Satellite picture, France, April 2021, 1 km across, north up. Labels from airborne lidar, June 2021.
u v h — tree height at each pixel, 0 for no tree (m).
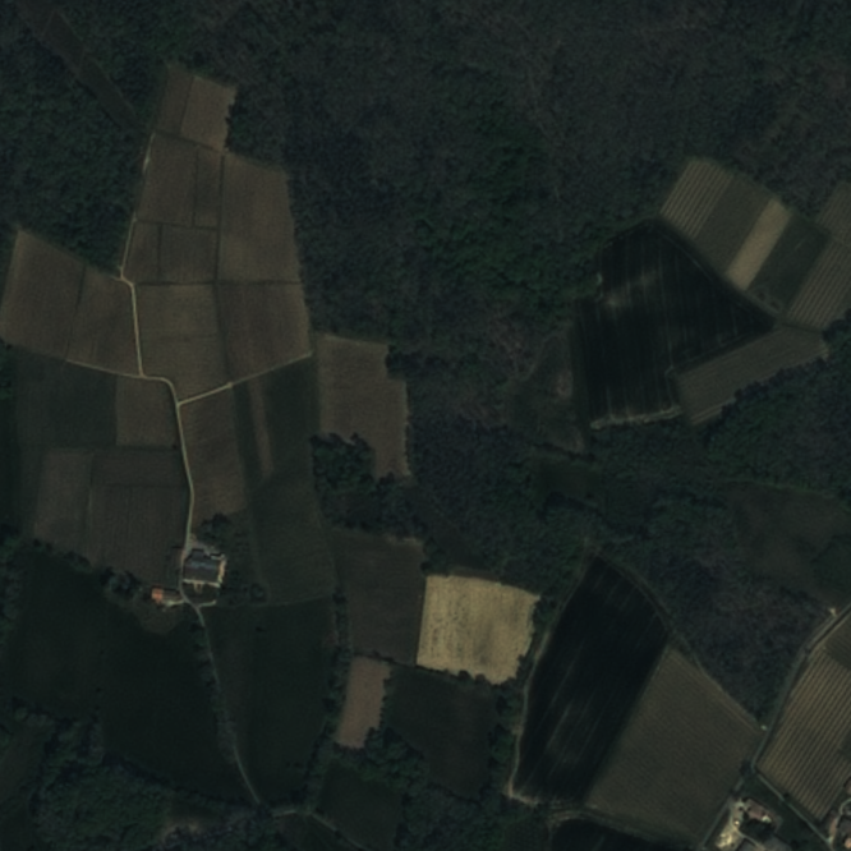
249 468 0
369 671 0
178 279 0
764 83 17
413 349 9
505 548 19
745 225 0
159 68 19
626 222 22
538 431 10
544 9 20
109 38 23
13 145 14
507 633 0
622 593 0
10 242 17
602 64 21
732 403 0
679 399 0
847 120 14
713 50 19
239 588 8
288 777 0
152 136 0
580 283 25
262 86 7
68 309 0
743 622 12
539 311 14
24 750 0
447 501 23
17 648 0
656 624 0
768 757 0
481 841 25
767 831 11
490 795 16
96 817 25
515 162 15
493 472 22
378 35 17
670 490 7
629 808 0
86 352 0
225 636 0
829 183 16
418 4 18
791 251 0
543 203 16
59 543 0
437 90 21
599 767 0
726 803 0
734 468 15
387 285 22
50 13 0
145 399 0
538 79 14
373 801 0
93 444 0
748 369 0
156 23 22
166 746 0
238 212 0
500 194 21
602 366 0
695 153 20
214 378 0
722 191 0
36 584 0
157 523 0
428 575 11
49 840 20
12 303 0
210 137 0
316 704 0
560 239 22
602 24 20
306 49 20
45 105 20
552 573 19
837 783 0
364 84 17
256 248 0
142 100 21
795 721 0
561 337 8
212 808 6
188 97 0
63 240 13
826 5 16
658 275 0
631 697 0
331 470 10
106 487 0
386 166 21
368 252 21
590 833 0
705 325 0
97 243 18
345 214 23
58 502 0
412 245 21
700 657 17
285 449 0
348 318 16
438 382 19
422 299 15
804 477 21
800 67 18
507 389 9
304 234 18
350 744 0
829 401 22
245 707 0
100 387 0
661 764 0
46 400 0
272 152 16
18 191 18
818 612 16
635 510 8
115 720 0
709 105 20
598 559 0
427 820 23
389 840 0
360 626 0
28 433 0
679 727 0
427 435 21
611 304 0
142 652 0
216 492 0
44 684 0
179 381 0
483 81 23
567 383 11
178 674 0
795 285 0
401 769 18
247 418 0
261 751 0
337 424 0
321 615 0
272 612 0
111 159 18
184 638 0
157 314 0
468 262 18
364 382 0
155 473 0
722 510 19
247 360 0
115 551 0
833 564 9
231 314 0
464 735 0
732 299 0
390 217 24
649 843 0
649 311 0
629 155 20
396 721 0
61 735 20
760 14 27
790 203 16
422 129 19
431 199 19
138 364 0
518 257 21
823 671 0
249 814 22
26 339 0
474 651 0
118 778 27
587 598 0
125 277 0
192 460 0
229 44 13
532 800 0
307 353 0
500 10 14
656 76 9
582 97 20
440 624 0
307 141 24
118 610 0
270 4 15
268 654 0
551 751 0
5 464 0
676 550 22
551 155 13
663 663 0
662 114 16
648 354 0
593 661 0
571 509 22
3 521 0
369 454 19
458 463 22
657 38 9
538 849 20
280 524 0
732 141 24
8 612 15
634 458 15
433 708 0
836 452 19
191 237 0
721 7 16
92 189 18
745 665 18
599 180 21
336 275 9
